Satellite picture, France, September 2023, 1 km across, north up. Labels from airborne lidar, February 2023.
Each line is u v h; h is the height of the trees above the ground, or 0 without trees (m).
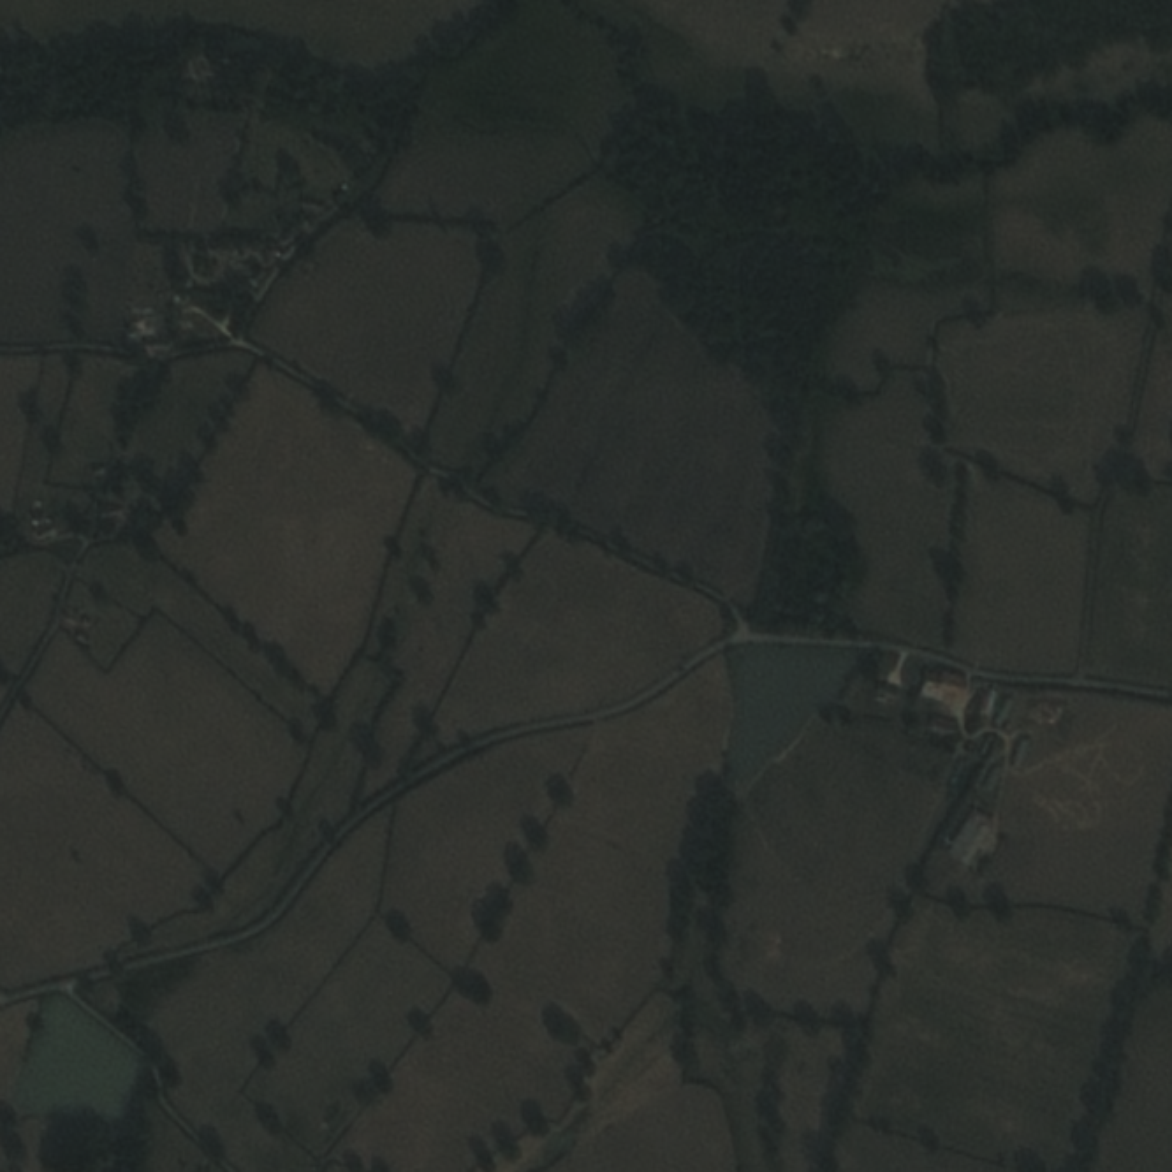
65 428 0
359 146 9
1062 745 0
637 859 0
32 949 0
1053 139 0
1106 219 0
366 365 0
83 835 0
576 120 0
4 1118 18
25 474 0
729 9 0
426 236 0
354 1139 0
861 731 0
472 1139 0
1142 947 12
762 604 8
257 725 0
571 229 0
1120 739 0
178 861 0
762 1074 0
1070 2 18
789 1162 0
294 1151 0
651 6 0
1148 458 0
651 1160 0
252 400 0
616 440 0
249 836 0
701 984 0
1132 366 0
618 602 0
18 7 0
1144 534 0
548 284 0
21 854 0
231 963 0
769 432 0
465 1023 0
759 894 0
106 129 0
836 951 0
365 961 0
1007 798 0
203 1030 0
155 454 0
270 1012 0
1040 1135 0
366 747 21
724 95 0
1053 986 0
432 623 0
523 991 0
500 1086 0
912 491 0
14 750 0
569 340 23
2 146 0
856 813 0
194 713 0
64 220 0
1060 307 0
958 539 8
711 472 0
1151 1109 0
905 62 0
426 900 0
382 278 0
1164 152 0
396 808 0
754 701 0
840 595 7
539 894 0
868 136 0
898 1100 0
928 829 0
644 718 0
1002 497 0
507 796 0
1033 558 0
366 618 0
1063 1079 0
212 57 15
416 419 0
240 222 0
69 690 0
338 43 0
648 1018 0
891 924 0
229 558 0
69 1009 0
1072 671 0
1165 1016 0
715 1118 0
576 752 0
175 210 0
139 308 0
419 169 0
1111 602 0
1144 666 0
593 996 0
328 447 0
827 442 0
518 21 0
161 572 0
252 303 10
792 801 0
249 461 0
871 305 0
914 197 0
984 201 0
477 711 0
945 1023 0
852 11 0
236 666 0
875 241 0
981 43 17
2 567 0
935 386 11
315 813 0
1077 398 0
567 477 0
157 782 0
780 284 16
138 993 0
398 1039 0
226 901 0
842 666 0
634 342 0
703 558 0
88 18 0
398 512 0
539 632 0
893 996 0
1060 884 0
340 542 0
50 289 0
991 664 0
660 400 0
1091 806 0
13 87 8
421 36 0
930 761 0
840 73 0
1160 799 0
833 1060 0
